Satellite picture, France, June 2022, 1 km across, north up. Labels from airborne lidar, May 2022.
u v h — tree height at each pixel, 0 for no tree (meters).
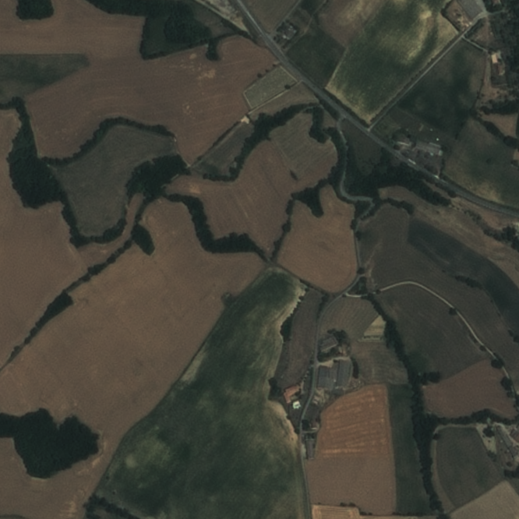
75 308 0
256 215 0
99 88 0
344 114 0
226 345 0
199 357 0
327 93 6
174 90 0
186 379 0
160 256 0
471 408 0
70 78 0
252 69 0
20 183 18
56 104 0
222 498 0
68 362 0
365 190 15
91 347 0
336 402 0
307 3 0
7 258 0
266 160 0
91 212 0
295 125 0
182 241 0
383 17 0
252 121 8
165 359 0
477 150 0
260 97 0
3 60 0
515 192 0
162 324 0
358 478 0
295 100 0
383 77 0
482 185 0
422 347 0
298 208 0
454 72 0
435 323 0
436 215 0
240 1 0
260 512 0
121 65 0
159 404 0
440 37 0
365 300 8
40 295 0
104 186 0
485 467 0
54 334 0
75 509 0
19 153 10
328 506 0
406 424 0
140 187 14
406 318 0
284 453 0
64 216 13
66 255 0
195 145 0
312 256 0
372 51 0
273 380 10
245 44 0
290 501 0
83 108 0
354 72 0
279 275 0
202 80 0
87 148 13
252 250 7
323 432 0
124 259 0
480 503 0
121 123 15
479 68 0
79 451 16
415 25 0
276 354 0
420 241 0
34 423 17
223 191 0
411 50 0
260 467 0
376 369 0
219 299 0
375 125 0
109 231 9
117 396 0
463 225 0
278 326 0
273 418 0
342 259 0
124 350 0
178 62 0
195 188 0
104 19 0
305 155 0
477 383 0
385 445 0
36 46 0
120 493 0
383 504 0
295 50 0
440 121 0
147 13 9
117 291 0
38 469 11
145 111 0
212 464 0
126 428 0
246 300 0
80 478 0
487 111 11
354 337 0
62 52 0
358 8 0
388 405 0
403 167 7
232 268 0
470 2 0
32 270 0
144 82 0
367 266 0
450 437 0
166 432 0
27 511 0
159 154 0
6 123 0
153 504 0
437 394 0
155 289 0
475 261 0
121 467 0
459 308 0
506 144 11
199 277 0
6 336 0
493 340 0
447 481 0
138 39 0
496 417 11
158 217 0
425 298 0
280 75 0
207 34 8
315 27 0
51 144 0
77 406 0
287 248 0
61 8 0
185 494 0
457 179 0
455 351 0
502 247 0
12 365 0
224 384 0
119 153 0
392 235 0
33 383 0
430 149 0
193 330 0
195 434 0
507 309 0
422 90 0
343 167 15
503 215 0
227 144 0
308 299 0
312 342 0
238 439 0
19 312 0
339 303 0
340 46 0
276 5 0
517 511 0
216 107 0
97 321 0
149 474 0
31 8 14
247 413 0
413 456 0
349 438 0
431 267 0
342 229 0
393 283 0
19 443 17
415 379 18
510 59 12
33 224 0
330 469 0
